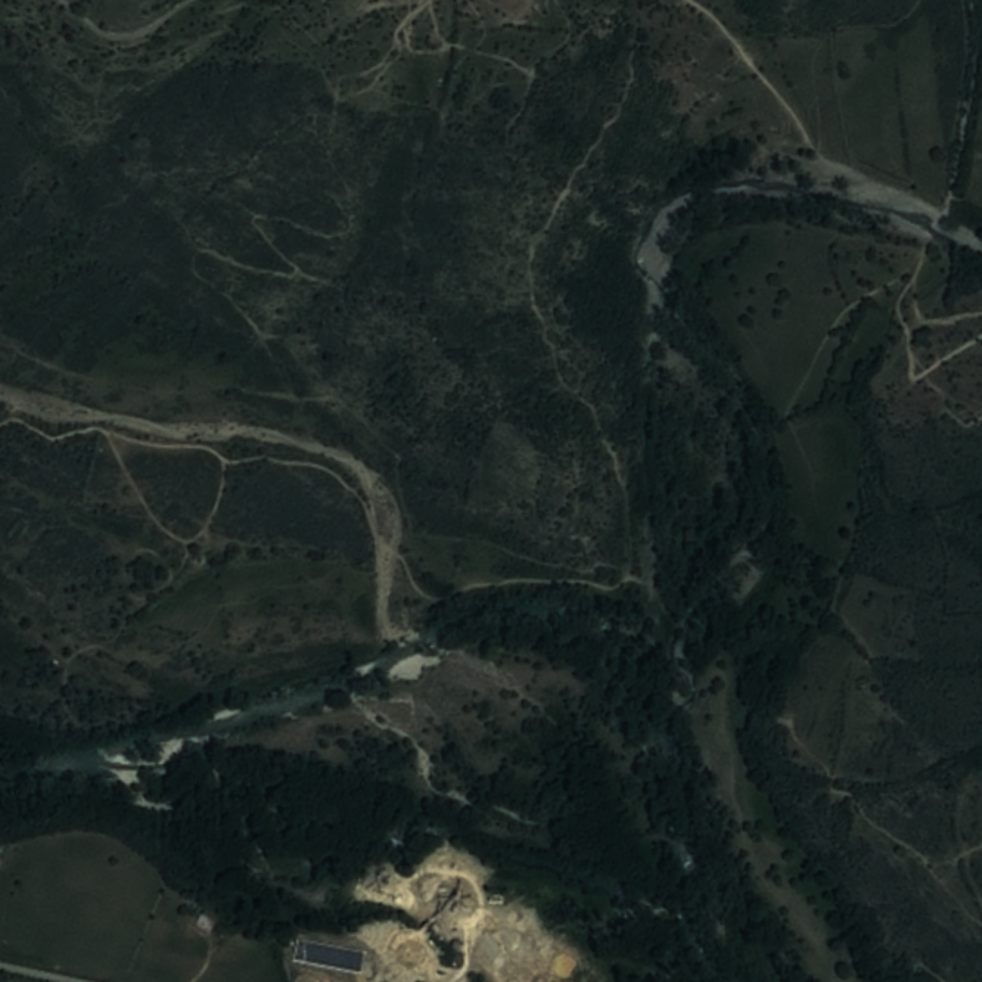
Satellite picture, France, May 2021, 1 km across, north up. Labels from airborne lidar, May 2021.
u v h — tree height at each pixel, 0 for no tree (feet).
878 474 21
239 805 77
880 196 0
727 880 96
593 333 32
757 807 0
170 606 0
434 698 0
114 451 0
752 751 49
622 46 19
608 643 102
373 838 69
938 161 30
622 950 92
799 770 25
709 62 0
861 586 0
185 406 0
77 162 24
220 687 26
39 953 0
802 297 0
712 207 90
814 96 0
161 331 20
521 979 0
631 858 80
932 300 0
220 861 68
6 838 32
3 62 0
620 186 27
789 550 51
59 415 0
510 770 37
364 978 0
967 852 0
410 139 0
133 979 0
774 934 108
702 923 78
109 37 0
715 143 47
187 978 0
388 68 0
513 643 96
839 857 40
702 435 40
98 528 0
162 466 0
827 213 72
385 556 0
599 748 42
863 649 31
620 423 25
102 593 25
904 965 37
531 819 21
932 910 0
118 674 0
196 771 91
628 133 19
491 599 46
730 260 42
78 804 69
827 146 0
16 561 0
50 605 0
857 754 0
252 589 0
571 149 23
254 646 19
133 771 0
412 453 19
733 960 97
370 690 76
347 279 21
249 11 20
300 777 88
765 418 46
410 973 0
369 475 0
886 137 0
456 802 59
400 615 0
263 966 0
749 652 47
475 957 0
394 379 43
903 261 0
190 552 23
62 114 0
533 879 0
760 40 0
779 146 0
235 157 0
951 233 64
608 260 35
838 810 18
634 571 23
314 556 38
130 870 0
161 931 0
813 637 34
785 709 37
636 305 39
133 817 71
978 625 0
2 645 0
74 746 53
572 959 0
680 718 103
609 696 33
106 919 0
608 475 32
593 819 79
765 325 0
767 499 91
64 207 0
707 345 101
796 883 36
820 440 0
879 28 0
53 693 0
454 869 0
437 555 0
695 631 50
